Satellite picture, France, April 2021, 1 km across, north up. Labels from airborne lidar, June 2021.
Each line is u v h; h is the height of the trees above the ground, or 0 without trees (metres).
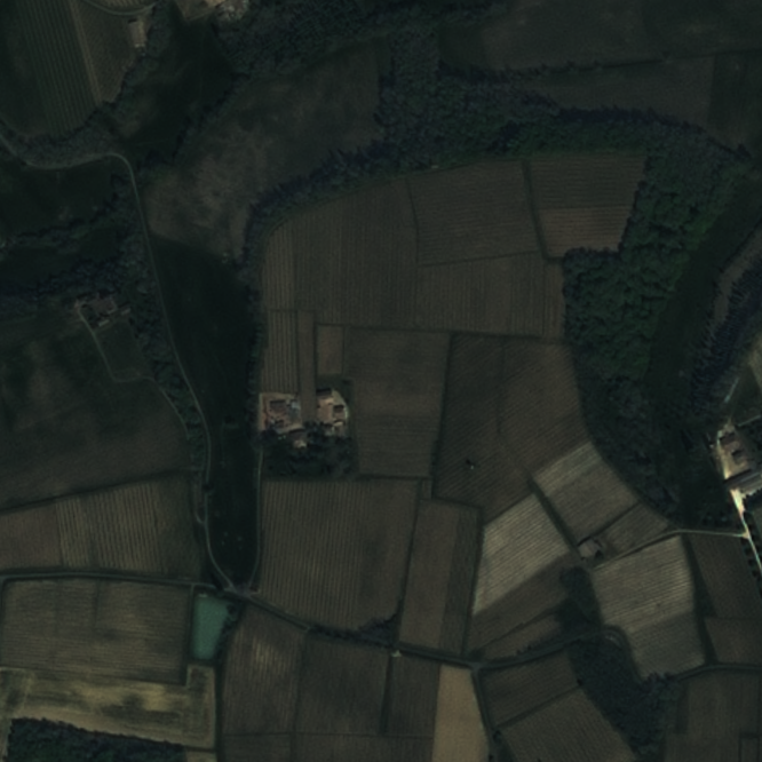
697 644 0
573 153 10
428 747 0
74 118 0
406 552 0
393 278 0
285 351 0
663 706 18
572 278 14
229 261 0
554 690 0
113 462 0
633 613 0
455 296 0
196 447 11
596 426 12
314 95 0
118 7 0
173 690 0
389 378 0
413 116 24
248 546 0
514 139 24
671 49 0
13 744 11
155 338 18
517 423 0
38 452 0
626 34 0
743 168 23
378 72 0
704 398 10
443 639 0
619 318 28
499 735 7
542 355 0
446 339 0
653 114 0
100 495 0
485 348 0
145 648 0
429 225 0
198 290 0
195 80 0
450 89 28
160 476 0
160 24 13
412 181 0
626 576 0
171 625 0
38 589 0
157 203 0
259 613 0
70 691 0
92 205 0
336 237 0
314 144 0
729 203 16
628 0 0
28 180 0
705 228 21
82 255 0
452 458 0
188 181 0
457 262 0
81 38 0
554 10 0
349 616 0
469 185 0
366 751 0
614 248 0
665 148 22
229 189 0
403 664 0
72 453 0
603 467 0
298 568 0
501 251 0
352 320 0
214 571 0
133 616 0
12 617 0
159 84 0
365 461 0
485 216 0
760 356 0
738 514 14
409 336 0
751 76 0
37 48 0
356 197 0
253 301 13
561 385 0
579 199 0
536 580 0
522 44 0
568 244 0
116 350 0
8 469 0
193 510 0
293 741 0
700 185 25
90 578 0
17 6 0
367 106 0
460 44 0
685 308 0
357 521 0
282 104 0
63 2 0
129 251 20
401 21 22
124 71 0
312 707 0
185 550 0
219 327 0
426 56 29
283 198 17
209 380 0
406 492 0
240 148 0
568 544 0
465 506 0
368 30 19
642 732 15
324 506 0
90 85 0
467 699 0
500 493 0
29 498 0
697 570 0
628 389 15
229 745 0
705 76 0
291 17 17
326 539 0
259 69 16
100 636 0
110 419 0
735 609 0
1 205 0
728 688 0
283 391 0
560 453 0
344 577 0
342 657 0
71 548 0
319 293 0
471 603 0
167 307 0
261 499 0
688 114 0
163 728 0
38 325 0
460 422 0
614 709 14
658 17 0
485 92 23
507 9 18
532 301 0
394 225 0
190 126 14
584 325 19
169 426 0
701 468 0
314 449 15
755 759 0
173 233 0
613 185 0
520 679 0
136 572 0
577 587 15
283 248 0
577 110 0
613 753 0
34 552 0
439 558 0
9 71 0
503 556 0
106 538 0
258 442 17
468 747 0
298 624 0
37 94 0
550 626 0
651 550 0
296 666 0
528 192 0
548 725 0
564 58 0
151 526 0
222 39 29
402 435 0
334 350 0
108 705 0
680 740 0
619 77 0
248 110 0
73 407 0
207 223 0
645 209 17
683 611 0
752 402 0
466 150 17
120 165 0
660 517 0
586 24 0
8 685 0
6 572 0
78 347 0
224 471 0
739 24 0
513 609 0
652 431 18
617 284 22
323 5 32
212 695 0
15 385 0
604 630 0
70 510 0
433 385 0
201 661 0
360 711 0
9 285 0
